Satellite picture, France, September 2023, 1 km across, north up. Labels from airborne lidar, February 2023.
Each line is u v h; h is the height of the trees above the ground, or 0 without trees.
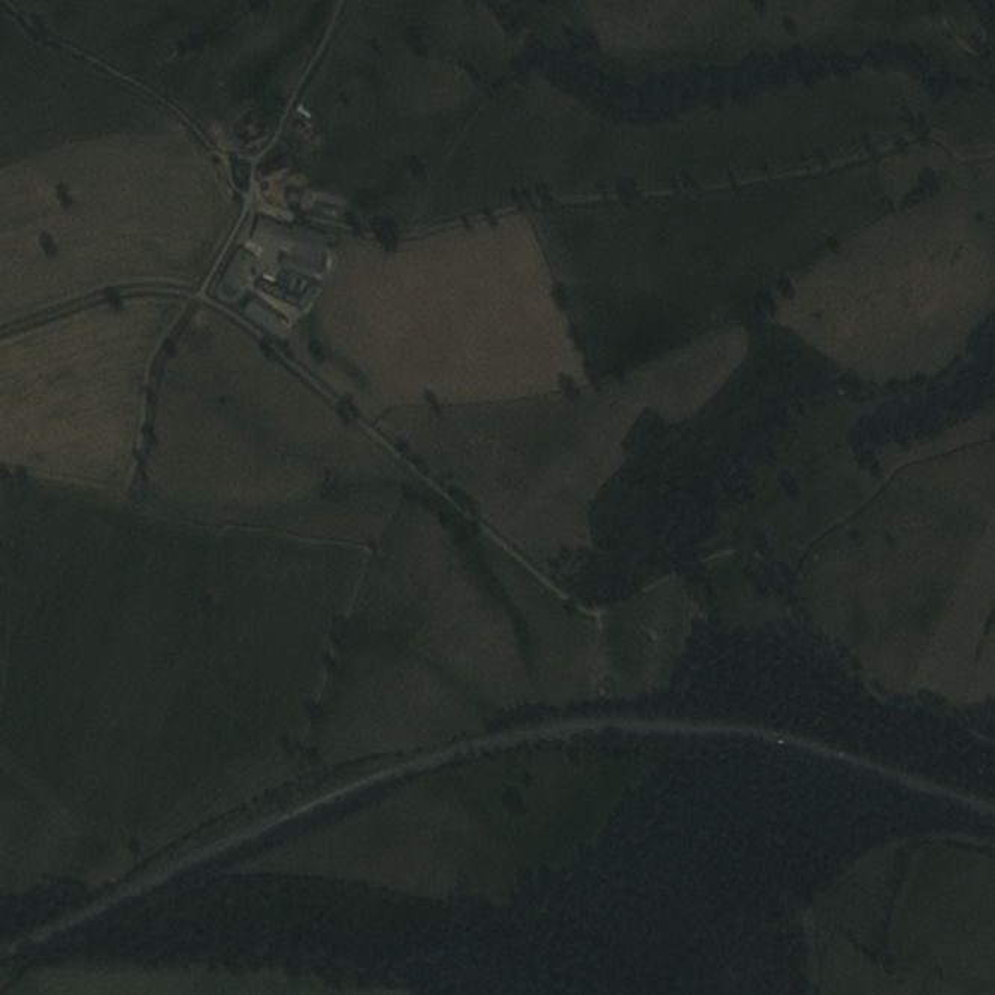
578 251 0
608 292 0
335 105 0
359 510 0
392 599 0
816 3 0
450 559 0
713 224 0
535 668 0
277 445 0
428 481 0
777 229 0
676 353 0
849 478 0
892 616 0
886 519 0
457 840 0
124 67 0
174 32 0
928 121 13
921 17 0
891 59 19
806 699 16
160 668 0
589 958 17
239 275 0
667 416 0
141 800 0
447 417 0
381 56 9
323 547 0
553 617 0
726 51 0
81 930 13
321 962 19
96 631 0
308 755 8
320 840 0
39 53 0
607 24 0
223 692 0
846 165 0
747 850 18
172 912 8
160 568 0
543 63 13
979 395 7
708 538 10
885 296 0
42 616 0
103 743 0
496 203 0
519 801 16
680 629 0
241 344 0
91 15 0
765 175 13
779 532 0
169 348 12
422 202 0
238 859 7
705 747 16
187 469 0
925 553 0
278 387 0
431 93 0
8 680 0
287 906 7
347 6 0
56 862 0
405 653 0
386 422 0
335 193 0
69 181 0
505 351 0
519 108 0
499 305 0
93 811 0
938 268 0
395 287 0
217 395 0
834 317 0
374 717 0
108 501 0
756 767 13
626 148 0
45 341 0
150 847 0
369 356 0
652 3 0
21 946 10
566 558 11
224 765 0
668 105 20
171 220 0
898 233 0
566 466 0
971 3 14
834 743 10
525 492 0
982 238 0
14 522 0
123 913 14
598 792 0
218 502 0
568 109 0
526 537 0
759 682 10
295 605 0
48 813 0
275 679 0
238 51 0
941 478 0
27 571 0
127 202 0
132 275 0
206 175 0
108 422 0
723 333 0
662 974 20
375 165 0
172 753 0
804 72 22
